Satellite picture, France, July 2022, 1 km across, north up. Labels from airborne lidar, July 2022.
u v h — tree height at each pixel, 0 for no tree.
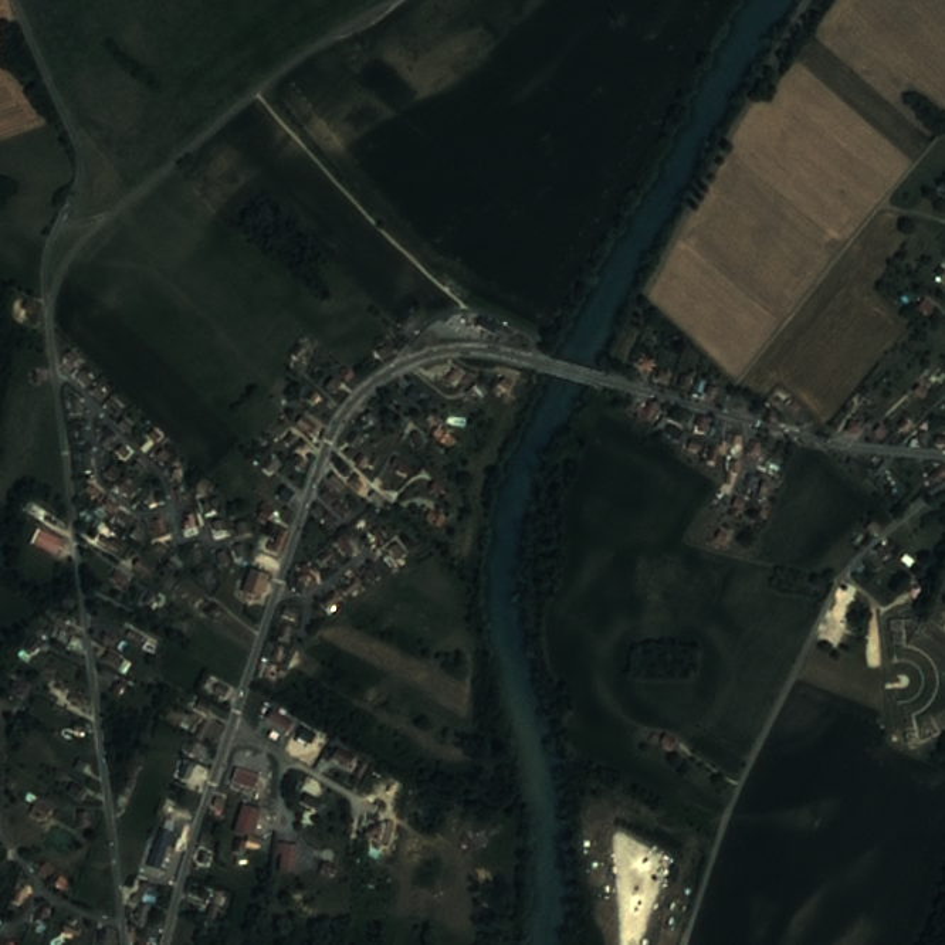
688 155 0
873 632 0
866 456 0
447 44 0
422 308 7
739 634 0
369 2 0
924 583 15
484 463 0
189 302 0
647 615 0
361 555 0
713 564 0
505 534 0
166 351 0
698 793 0
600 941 0
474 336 0
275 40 0
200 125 0
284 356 0
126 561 0
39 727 23
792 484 0
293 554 0
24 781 0
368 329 0
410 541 19
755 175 0
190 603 0
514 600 9
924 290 14
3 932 0
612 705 0
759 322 0
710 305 0
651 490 0
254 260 0
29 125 0
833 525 0
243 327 0
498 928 26
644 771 0
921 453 0
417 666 0
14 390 0
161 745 0
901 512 12
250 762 0
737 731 0
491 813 20
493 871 0
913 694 0
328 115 0
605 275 0
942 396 0
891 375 7
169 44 0
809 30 15
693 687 0
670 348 6
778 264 0
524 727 0
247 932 16
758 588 0
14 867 7
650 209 0
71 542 0
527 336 0
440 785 19
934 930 14
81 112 0
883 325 0
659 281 0
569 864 24
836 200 0
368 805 0
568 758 25
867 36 0
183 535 0
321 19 0
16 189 12
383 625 0
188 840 0
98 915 0
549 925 0
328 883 0
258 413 0
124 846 0
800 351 0
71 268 0
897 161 0
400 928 0
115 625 0
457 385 0
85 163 0
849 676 0
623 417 0
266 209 29
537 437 0
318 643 0
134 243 0
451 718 0
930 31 0
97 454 0
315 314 0
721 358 0
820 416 0
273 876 15
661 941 0
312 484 0
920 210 0
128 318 0
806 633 0
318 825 12
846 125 0
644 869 0
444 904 0
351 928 11
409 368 0
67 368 0
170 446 7
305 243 33
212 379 0
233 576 0
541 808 0
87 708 0
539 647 12
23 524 12
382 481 0
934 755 8
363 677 0
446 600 0
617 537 0
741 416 0
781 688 0
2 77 0
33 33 0
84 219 0
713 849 0
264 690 7
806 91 0
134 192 0
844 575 0
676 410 13
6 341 18
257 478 0
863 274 0
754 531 8
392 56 0
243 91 0
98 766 0
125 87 0
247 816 0
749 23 0
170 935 0
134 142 0
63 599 13
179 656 0
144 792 0
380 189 0
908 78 0
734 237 0
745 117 0
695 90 10
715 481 0
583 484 0
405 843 0
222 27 0
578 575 0
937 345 0
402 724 0
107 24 0
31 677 11
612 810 0
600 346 0
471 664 0
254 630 0
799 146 0
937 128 13
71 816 0
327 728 15
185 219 0
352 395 0
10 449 0
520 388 0
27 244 0
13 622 0
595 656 0
